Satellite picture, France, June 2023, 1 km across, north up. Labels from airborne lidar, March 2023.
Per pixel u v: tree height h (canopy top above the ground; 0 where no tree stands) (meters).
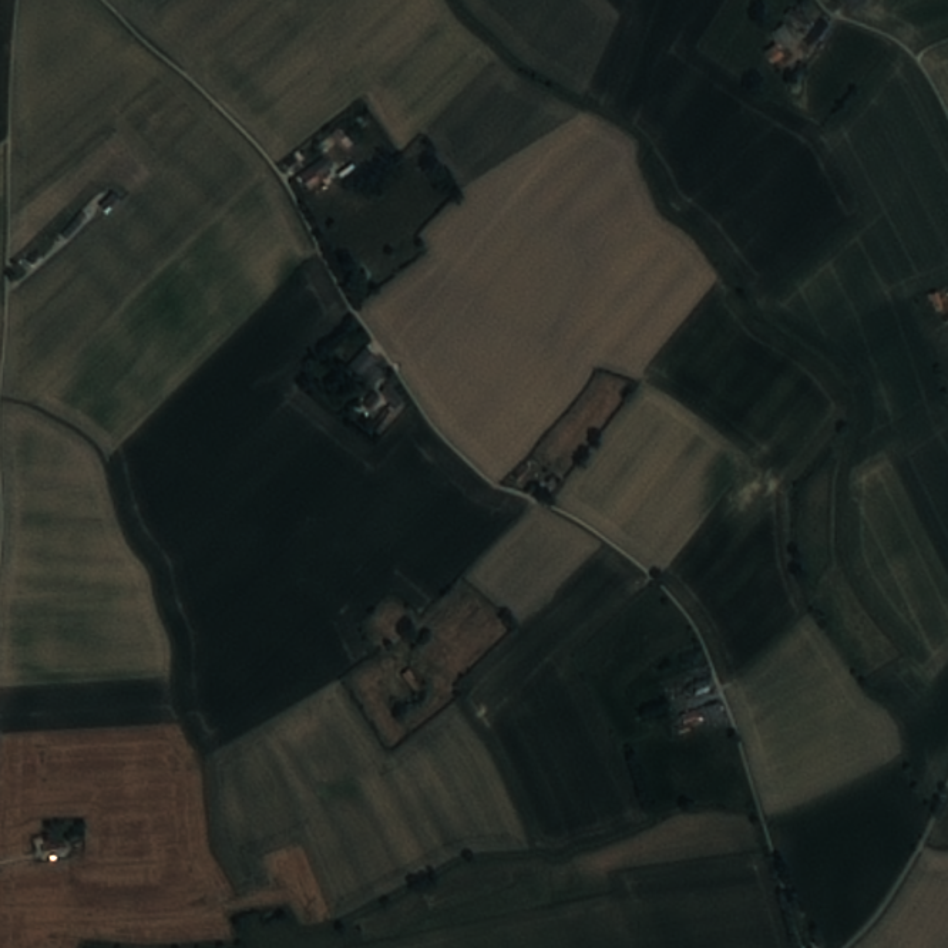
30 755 0
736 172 0
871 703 0
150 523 0
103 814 0
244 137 0
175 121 0
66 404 0
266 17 0
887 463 0
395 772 0
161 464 0
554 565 0
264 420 0
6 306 0
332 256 13
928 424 0
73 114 0
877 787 0
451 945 0
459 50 0
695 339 0
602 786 0
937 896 0
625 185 0
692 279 0
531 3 0
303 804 0
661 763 0
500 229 0
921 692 0
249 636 0
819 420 0
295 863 0
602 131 0
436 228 0
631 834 0
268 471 0
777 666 0
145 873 0
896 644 0
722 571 0
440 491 0
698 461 0
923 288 0
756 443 0
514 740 0
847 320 0
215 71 0
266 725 0
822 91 0
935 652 0
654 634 0
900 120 0
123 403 0
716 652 0
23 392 0
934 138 0
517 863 0
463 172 0
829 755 0
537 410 0
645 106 0
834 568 0
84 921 0
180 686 0
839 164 0
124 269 0
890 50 0
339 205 0
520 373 0
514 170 0
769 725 0
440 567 0
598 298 0
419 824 0
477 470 0
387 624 0
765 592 0
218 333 0
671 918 0
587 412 0
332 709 0
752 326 0
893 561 0
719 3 0
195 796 0
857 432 0
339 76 0
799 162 0
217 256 0
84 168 0
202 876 0
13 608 0
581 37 0
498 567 0
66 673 0
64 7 0
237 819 0
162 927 0
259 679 0
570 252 0
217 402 0
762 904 0
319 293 0
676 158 0
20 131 0
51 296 0
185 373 0
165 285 0
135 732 0
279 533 0
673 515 0
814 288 0
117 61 0
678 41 0
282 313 0
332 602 0
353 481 0
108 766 0
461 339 0
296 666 0
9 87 0
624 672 0
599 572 0
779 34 0
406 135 0
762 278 0
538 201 0
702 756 0
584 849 0
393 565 0
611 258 0
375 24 0
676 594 0
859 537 0
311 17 0
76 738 0
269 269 0
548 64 0
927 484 0
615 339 0
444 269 0
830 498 0
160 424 0
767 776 0
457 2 0
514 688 0
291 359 0
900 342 0
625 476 0
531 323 0
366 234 0
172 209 0
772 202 0
